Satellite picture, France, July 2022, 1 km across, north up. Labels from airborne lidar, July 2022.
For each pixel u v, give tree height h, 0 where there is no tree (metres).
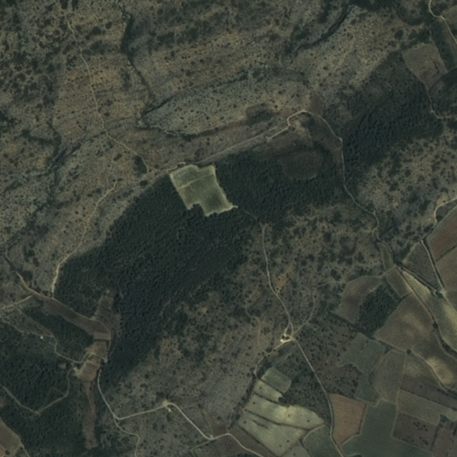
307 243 0
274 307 0
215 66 0
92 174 0
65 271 10
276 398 0
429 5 0
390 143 7
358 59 0
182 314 9
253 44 0
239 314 8
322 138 6
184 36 0
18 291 0
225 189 11
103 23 0
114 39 0
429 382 0
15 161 0
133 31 0
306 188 10
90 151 0
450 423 0
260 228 6
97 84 0
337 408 0
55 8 0
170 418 0
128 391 0
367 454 0
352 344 0
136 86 0
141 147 0
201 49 0
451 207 0
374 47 0
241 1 0
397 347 0
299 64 0
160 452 0
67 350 9
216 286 10
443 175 0
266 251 0
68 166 0
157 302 6
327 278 0
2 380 8
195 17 0
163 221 11
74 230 0
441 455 0
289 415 0
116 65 0
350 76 0
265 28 0
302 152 0
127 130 0
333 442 0
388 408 0
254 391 0
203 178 0
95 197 0
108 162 0
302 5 0
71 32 0
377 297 6
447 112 8
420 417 0
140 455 0
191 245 8
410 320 0
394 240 0
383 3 10
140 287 10
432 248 0
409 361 0
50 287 0
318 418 0
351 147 9
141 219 11
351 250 0
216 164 9
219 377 0
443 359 0
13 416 10
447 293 0
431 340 0
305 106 0
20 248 0
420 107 7
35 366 10
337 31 0
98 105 0
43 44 0
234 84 0
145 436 0
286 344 0
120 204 0
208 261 11
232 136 0
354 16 0
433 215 0
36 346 7
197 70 0
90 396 0
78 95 0
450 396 0
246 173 7
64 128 0
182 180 0
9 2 7
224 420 0
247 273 0
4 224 0
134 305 8
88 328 0
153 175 0
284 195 10
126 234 9
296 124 0
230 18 0
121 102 0
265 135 0
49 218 0
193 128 0
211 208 0
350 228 0
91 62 0
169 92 0
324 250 0
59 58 0
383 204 0
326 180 7
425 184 0
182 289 9
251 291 7
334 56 0
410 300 0
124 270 8
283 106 0
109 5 0
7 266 0
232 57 0
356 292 0
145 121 0
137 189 0
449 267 0
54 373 8
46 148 0
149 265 7
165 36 0
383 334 0
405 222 0
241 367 0
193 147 0
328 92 0
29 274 0
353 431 0
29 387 9
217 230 9
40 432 7
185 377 0
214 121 0
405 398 0
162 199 14
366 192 0
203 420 0
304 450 0
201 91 0
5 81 0
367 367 0
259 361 0
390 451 0
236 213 11
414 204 0
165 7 0
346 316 0
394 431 0
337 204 6
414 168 0
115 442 8
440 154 0
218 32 0
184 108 0
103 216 0
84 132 0
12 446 0
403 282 0
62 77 0
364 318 6
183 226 9
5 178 0
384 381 0
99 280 9
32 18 0
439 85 0
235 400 0
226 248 8
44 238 0
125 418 0
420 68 0
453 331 0
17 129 0
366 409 0
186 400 0
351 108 9
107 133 0
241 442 0
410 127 7
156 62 0
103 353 0
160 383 0
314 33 0
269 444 0
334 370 0
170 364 0
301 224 0
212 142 0
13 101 0
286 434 0
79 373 0
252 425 0
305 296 0
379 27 0
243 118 0
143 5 0
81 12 0
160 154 0
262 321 0
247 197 11
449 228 0
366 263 0
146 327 9
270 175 6
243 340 0
